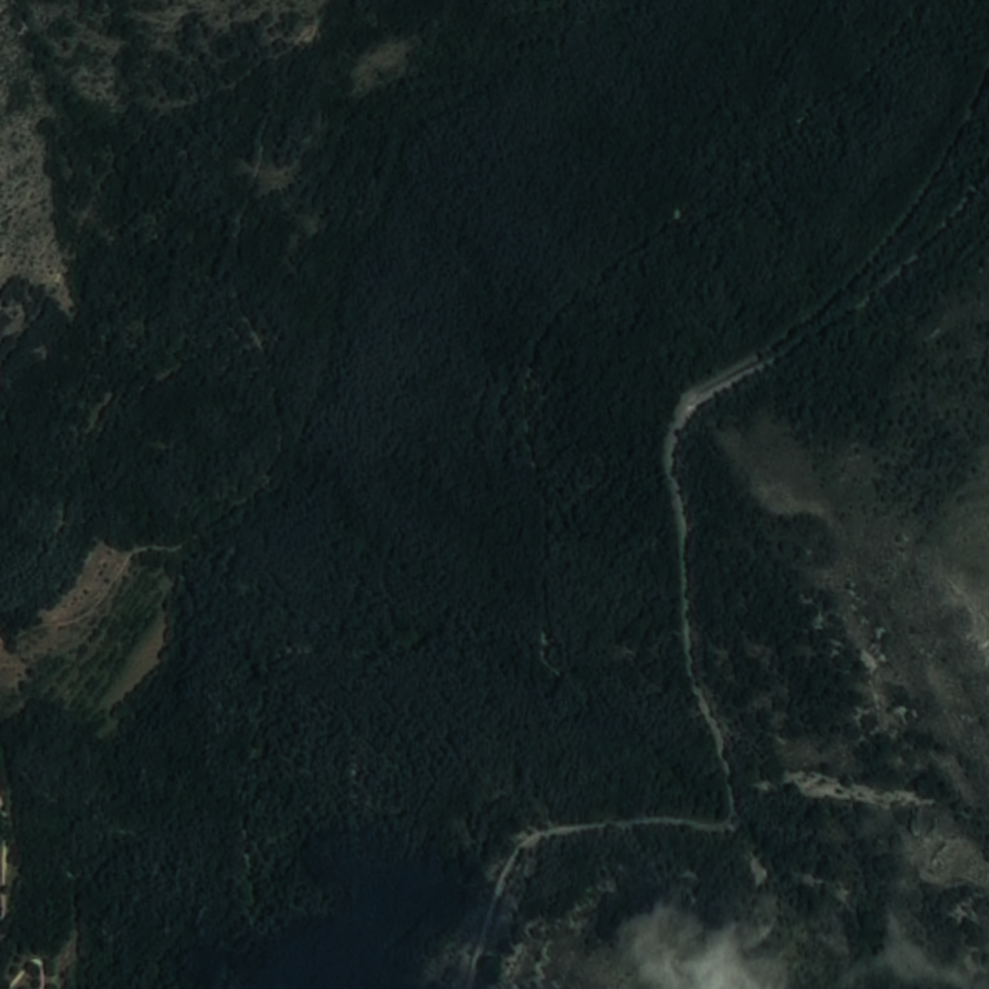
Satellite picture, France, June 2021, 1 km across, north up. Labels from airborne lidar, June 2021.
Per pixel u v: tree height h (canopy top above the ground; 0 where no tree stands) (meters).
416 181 18
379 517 21
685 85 16
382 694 18
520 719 18
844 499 0
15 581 17
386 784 11
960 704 0
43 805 8
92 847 10
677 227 9
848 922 16
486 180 18
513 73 18
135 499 17
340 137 8
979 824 9
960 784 0
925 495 6
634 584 11
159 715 25
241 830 9
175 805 15
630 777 21
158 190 14
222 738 17
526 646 16
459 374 15
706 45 14
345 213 14
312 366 24
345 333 16
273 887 18
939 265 8
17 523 17
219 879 16
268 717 18
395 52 0
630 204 19
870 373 11
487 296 10
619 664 8
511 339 14
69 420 16
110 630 7
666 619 9
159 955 9
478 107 15
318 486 19
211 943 15
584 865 11
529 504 18
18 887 14
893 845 6
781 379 14
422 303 17
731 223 22
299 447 17
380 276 19
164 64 10
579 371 19
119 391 14
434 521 19
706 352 17
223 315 10
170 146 7
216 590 19
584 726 18
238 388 18
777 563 6
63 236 12
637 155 16
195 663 23
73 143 12
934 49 14
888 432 8
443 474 17
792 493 0
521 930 11
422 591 20
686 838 13
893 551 0
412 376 14
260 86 14
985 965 10
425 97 15
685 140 12
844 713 6
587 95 11
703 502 9
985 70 10
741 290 20
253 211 16
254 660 15
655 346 15
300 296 16
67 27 7
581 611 16
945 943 9
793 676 10
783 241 15
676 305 16
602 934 10
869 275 13
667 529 12
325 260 16
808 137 10
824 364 24
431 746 18
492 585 10
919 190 10
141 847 17
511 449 11
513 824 15
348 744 21
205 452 13
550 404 10
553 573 16
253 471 18
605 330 14
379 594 21
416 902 13
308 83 16
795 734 9
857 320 17
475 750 15
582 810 15
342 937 15
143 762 15
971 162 11
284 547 19
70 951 0
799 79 16
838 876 7
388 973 16
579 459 14
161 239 9
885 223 15
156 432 10
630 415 19
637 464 17
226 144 11
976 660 0
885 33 13
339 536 14
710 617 9
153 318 12
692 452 11
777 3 11
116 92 5
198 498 10
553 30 19
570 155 15
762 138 14
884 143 20
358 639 26
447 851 9
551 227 14
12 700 7
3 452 17
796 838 8
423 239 14
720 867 11
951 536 0
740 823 10
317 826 17
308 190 13
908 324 7
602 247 16
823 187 18
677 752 16
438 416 15
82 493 13
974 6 9
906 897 9
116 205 8
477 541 13
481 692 22
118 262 12
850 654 7
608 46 16
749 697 11
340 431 14
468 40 10
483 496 17
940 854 0
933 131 17
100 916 11
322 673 19
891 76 19
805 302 16
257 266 13
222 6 0
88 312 8
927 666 0
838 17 17
